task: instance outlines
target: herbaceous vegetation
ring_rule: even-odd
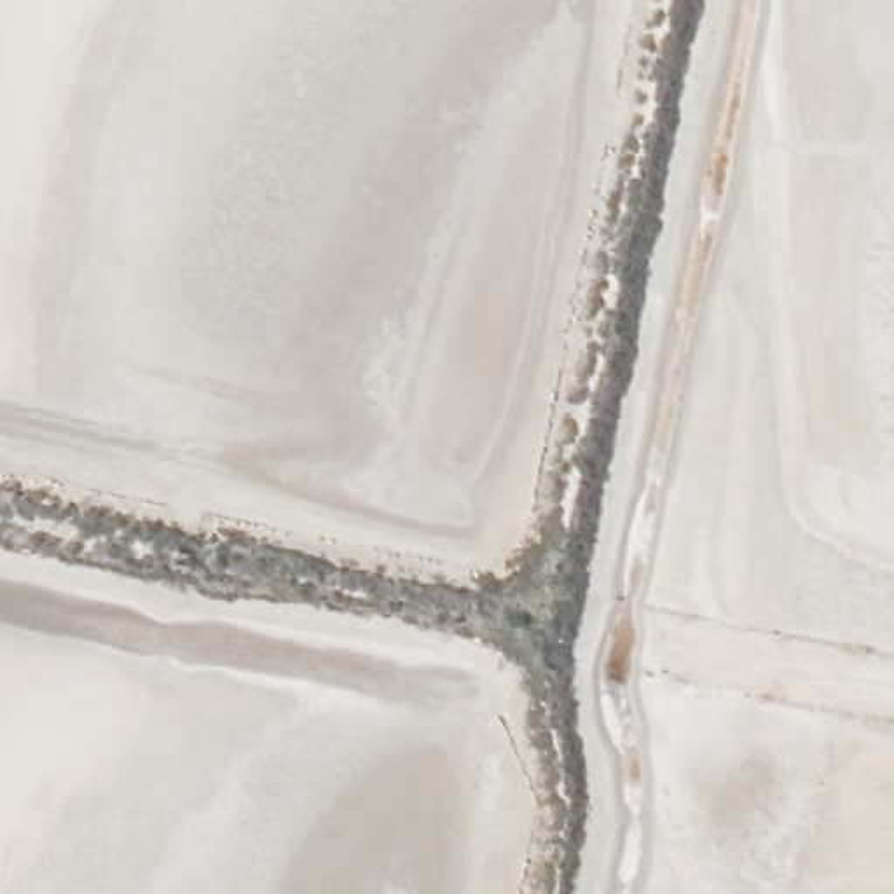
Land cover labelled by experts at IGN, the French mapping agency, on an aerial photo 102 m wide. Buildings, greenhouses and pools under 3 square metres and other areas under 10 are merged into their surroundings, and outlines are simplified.
[[[587,761],[576,730],[573,650],[587,608],[590,555],[601,524],[601,496],[615,454],[622,398],[629,391],[639,353],[639,314],[646,304],[650,255],[660,237],[664,185],[681,115],[688,52],[705,0],[653,0],[653,17],[646,17],[643,24],[639,77],[657,80],[657,115],[632,115],[629,133],[622,140],[622,157],[615,168],[615,189],[608,196],[608,220],[583,318],[587,353],[576,367],[576,388],[569,391],[569,402],[590,405],[594,416],[590,426],[566,416],[562,437],[541,447],[534,485],[538,520],[548,510],[562,510],[562,524],[573,527],[569,552],[555,573],[555,615],[506,615],[510,625],[527,629],[531,643],[541,650],[545,667],[552,671],[552,716],[559,726],[552,733],[552,747],[559,761],[566,758],[566,782],[555,786],[559,796],[569,800],[569,831],[552,824],[555,814],[548,803],[538,803],[531,828],[534,842],[527,845],[524,870],[527,880],[520,884],[520,894],[573,894],[587,831]]]
[[[0,548],[35,552],[31,534],[73,541],[77,527],[52,517],[21,517],[14,503],[17,482],[0,482]]]

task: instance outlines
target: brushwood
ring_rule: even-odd
[[[552,733],[559,726],[552,716],[552,671],[545,667],[541,650],[531,643],[527,629],[510,625],[506,615],[555,615],[555,573],[569,552],[573,527],[562,524],[562,510],[548,510],[538,520],[538,541],[524,545],[513,559],[506,559],[506,576],[482,573],[478,587],[457,587],[447,580],[395,580],[384,576],[384,569],[328,562],[321,555],[283,548],[234,527],[192,534],[178,524],[140,520],[129,513],[115,513],[108,506],[66,503],[49,489],[24,489],[17,482],[14,503],[21,517],[52,517],[77,527],[73,541],[31,534],[35,552],[84,569],[189,587],[210,601],[314,604],[346,615],[402,618],[416,629],[440,629],[461,639],[478,639],[520,667],[527,691],[527,737],[538,751],[538,765],[545,775],[545,800],[538,803],[548,803],[555,814],[552,824],[569,831],[569,800],[559,796],[555,786],[566,782],[566,758],[559,761],[552,747]]]

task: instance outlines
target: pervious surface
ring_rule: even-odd
[[[314,604],[210,601],[189,587],[84,569],[35,552],[0,548],[0,894],[520,894],[520,884],[527,880],[524,870],[527,845],[534,842],[531,828],[538,803],[545,800],[545,775],[538,765],[538,751],[527,737],[527,691],[520,667],[478,639],[461,639],[440,629],[416,629],[402,618],[346,615]]]
[[[576,730],[587,761],[587,831],[573,894],[894,894],[894,0],[705,0],[688,52],[681,115],[664,185],[660,237],[650,255],[646,304],[639,314],[639,353],[629,391],[622,398],[615,454],[601,496],[601,524],[590,555],[587,608],[573,650]]]
[[[639,77],[643,24],[646,17],[653,17],[653,0],[0,0],[0,482],[17,482],[24,489],[49,489],[66,503],[108,506],[115,513],[129,513],[140,520],[178,524],[192,534],[234,527],[283,548],[321,555],[328,562],[384,569],[384,576],[395,580],[447,580],[457,587],[478,587],[482,573],[506,576],[506,559],[513,559],[524,545],[538,541],[538,520],[534,485],[541,447],[562,437],[566,416],[590,426],[594,416],[590,405],[569,402],[569,391],[576,388],[576,367],[587,353],[583,318],[608,220],[608,196],[615,189],[615,168],[622,157],[622,140],[629,133],[632,115],[657,115],[657,80]]]

